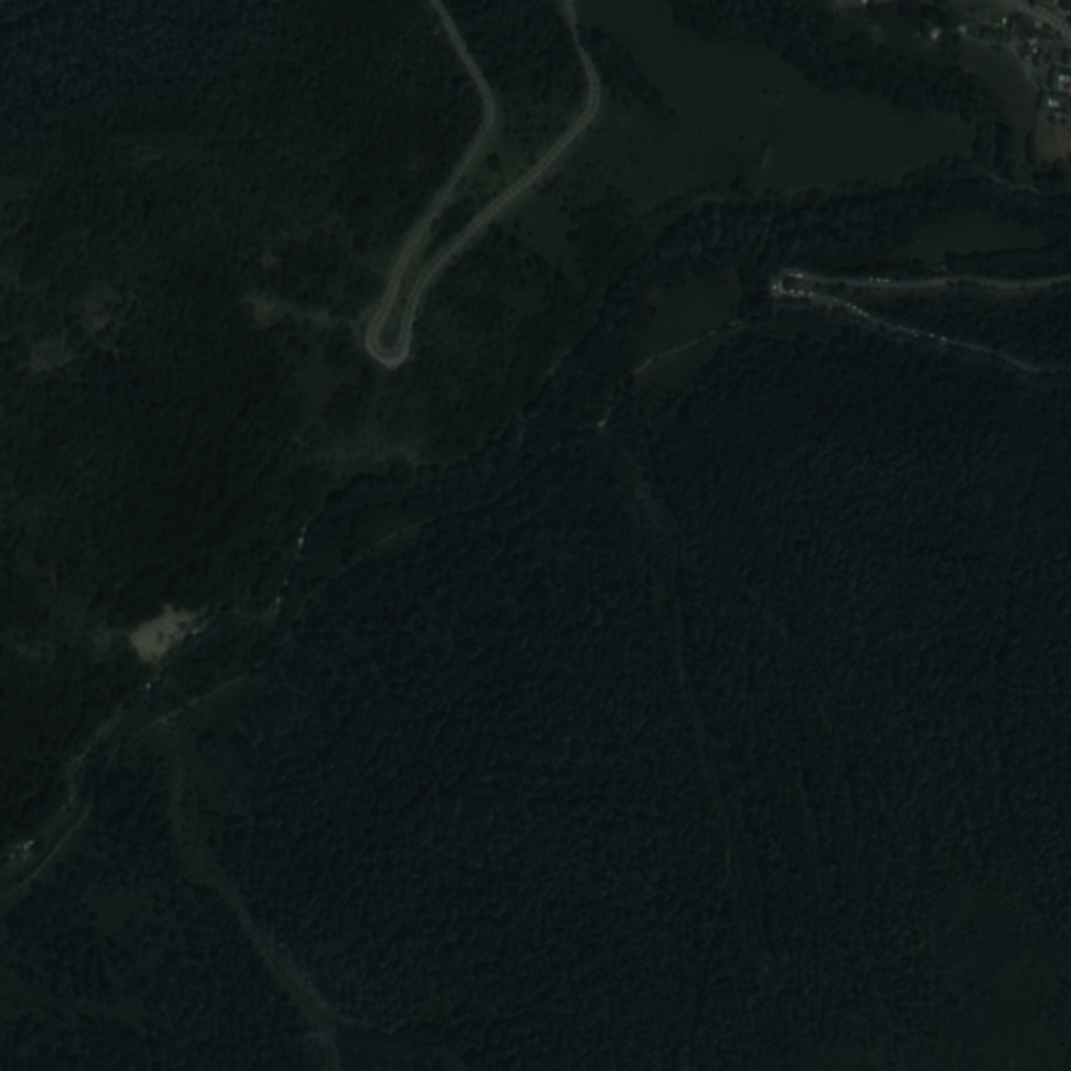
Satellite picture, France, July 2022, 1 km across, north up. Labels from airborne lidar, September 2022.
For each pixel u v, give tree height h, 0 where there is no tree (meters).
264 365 8
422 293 0
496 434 13
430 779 22
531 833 23
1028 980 0
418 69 11
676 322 0
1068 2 0
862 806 18
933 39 0
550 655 25
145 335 17
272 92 18
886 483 18
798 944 17
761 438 21
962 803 23
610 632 22
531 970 17
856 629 19
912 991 9
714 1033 18
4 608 18
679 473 24
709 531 19
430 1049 13
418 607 10
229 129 15
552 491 22
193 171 9
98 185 14
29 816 12
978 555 17
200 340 18
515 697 29
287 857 28
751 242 21
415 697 24
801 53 26
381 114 17
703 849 23
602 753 20
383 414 9
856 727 8
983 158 18
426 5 14
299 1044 11
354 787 22
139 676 17
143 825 9
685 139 0
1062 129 0
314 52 20
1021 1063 0
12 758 14
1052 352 12
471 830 16
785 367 22
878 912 11
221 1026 17
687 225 33
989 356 12
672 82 0
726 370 17
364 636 8
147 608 9
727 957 16
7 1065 24
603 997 16
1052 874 11
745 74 0
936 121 0
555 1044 16
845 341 14
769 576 20
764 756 20
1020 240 0
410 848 19
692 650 7
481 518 27
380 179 12
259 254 11
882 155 0
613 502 20
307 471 16
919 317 12
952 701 16
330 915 23
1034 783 15
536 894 20
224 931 19
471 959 21
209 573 28
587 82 6
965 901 0
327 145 13
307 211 16
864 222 34
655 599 24
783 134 0
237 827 9
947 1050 0
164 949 0
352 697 8
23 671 21
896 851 21
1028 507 19
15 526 11
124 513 18
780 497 20
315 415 0
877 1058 0
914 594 20
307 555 9
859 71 32
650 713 20
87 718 7
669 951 14
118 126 14
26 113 14
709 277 8
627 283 21
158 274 14
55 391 15
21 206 14
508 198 0
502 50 18
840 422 25
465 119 9
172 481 20
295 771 18
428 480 8
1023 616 20
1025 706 17
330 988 20
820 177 0
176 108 15
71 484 14
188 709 9
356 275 8
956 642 22
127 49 14
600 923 22
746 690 20
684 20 6
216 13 15
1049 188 11
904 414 22
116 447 13
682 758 23
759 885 8
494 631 22
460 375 8
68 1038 11
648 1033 15
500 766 24
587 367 16
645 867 29
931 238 0
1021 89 0
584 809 22
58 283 13
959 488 18
